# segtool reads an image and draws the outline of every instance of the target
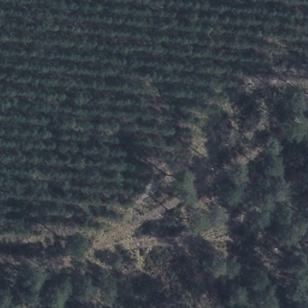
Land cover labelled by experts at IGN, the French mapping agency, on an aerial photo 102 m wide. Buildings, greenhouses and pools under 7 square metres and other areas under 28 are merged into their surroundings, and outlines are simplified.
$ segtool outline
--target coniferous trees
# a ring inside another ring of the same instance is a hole
[[[77,114],[119,118],[171,120],[171,115],[146,113],[76,109]]]
[[[184,149],[180,143],[159,142],[156,158],[165,162],[176,159],[179,150]]]
[[[231,159],[253,150],[243,150],[239,146],[236,141],[238,126],[232,126],[227,138],[230,143],[235,143],[235,146],[226,147],[229,155],[223,159],[224,165],[230,164]]]
[[[304,207],[298,212],[297,209],[288,206],[283,209],[283,215],[278,219],[278,224],[286,225],[291,230],[280,241],[283,247],[290,247],[300,241],[308,229],[308,208]]]
[[[202,208],[194,207],[197,202],[195,178],[189,170],[184,171],[184,182],[178,182],[173,178],[172,182],[168,183],[174,190],[173,197],[179,200],[178,205],[167,209],[160,219],[164,227],[183,225],[180,208],[185,208],[186,212],[190,212],[191,208],[195,214],[195,226],[186,232],[191,236],[201,235],[213,226],[226,224],[229,215],[224,207],[220,207],[217,208],[218,217],[212,220],[202,214]]]
[[[124,84],[117,85],[118,91],[138,94],[156,94],[158,89],[152,85],[138,87]]]
[[[58,31],[59,25],[51,24],[51,20],[60,18],[78,22],[152,28],[154,22],[143,20],[100,17],[94,14],[71,16],[72,10],[101,11],[101,5],[77,2],[65,4],[64,1],[51,0],[0,0],[0,2],[47,6],[46,11],[36,12],[36,18],[40,23],[38,25],[5,22],[6,14],[29,18],[30,12],[0,8],[0,25],[2,28],[38,32]]]
[[[199,123],[199,118],[195,115],[199,111],[209,115],[223,111],[223,108],[219,107],[220,102],[229,97],[224,94],[211,97],[214,105],[180,106],[182,111],[188,113],[188,118],[180,118],[179,125],[183,126],[185,122],[195,125]]]
[[[93,244],[88,243],[88,237],[78,235],[78,248],[65,251],[64,256],[81,260],[87,257],[89,251]]]
[[[52,137],[52,132],[0,129],[0,135],[49,138]]]
[[[126,152],[122,149],[83,149],[84,154],[102,154],[101,160],[90,161],[89,166],[112,170],[112,177],[101,176],[100,173],[47,172],[0,166],[0,199],[70,203],[81,207],[79,212],[66,211],[64,208],[45,208],[45,214],[63,217],[77,215],[87,219],[91,219],[90,206],[100,207],[100,199],[76,199],[71,194],[49,195],[46,183],[18,183],[17,180],[12,180],[16,174],[34,179],[87,179],[87,184],[82,186],[83,192],[123,194],[128,202],[120,203],[123,207],[130,207],[140,195],[132,189],[107,188],[101,185],[101,180],[137,183],[138,178],[122,176],[124,170],[135,171],[136,165],[107,162],[108,155],[125,156]]]
[[[197,37],[158,36],[144,32],[78,26],[72,26],[73,34],[135,37],[140,40],[148,38],[155,41],[154,46],[108,45],[87,40],[70,41],[66,38],[46,37],[42,40],[13,34],[0,35],[0,41],[107,49],[122,53],[162,53],[182,57],[271,65],[279,54],[284,53],[284,46],[267,42],[269,36],[276,35],[279,40],[308,42],[308,13],[267,10],[263,7],[219,6],[209,2],[182,0],[137,0],[138,4],[195,8],[194,12],[186,14],[185,18],[189,19],[188,25],[170,22],[161,24],[161,29],[249,35],[256,37],[255,42],[209,41]],[[282,16],[286,20],[285,28],[289,28],[289,34],[272,34],[268,31],[269,26],[279,25],[278,20],[197,16],[200,10]],[[207,46],[207,49],[197,52],[165,49],[161,47],[161,42],[177,42],[184,45],[196,43]],[[263,57],[214,53],[213,47],[221,46],[259,49],[263,52]]]
[[[17,114],[0,115],[0,122],[48,124],[48,118],[24,117]]]
[[[0,73],[0,79],[59,87],[73,87],[75,81]]]
[[[102,141],[118,143],[118,137],[106,135],[105,131],[106,126],[109,126],[112,132],[118,131],[117,123],[97,125],[99,140],[101,138]]]
[[[4,95],[7,96],[66,99],[65,94],[8,88],[4,90]]]
[[[91,124],[77,122],[76,119],[54,118],[55,126],[60,129],[76,128],[78,123],[84,129],[91,129]]]
[[[300,142],[308,134],[308,120],[300,126],[297,126],[296,122],[292,124],[294,130],[289,136],[291,141]]]
[[[35,308],[40,303],[40,290],[47,278],[46,272],[42,266],[34,262],[30,262],[29,265],[28,276],[22,277],[24,285],[31,289],[31,302],[29,307],[17,303],[14,308]]]
[[[100,99],[78,95],[75,102],[143,107],[168,108],[168,103],[140,100],[109,97]]]
[[[239,263],[236,257],[232,257],[230,263],[203,263],[200,269],[202,276],[208,277],[213,274],[218,278],[212,289],[215,302],[221,308],[230,308],[239,304],[243,306],[248,301],[245,288],[250,285],[254,285],[257,291],[256,300],[266,300],[265,308],[279,308],[276,289],[266,276],[266,269],[257,276],[239,272]]]
[[[95,286],[91,284],[91,280],[79,280],[72,284],[65,280],[61,284],[52,295],[52,308],[100,308],[91,302],[91,296],[96,289],[99,290],[101,296],[106,298],[107,306],[111,306],[118,292],[114,278],[99,267],[99,283]]]
[[[229,197],[233,205],[242,203],[247,208],[250,227],[257,229],[269,224],[273,203],[283,201],[289,194],[288,182],[296,172],[300,186],[308,182],[308,156],[301,159],[292,152],[291,142],[280,149],[277,138],[268,137],[267,148],[271,150],[271,154],[262,152],[250,160],[247,166],[238,164],[236,173],[230,177],[221,179],[226,185],[221,191]]]
[[[304,107],[308,107],[308,96],[306,97],[306,89],[296,87],[294,96],[291,97],[292,112],[294,118],[297,118],[303,114]]]
[[[150,78],[150,81],[156,82],[186,82],[213,88],[235,88],[236,83],[230,81],[161,76],[159,73],[153,73],[153,67],[162,67],[165,70],[227,72],[239,77],[243,71],[230,66],[192,66],[190,63],[183,63],[125,60],[105,55],[25,52],[23,49],[19,51],[19,57],[101,61],[109,64],[108,70],[0,61],[0,67],[88,76],[126,77],[136,78],[137,73],[144,73],[144,81]]]
[[[202,91],[180,89],[166,90],[167,96],[207,99],[207,94]]]
[[[302,261],[297,256],[288,268],[289,273],[298,274],[300,284],[297,288],[294,284],[285,286],[286,298],[300,303],[303,308],[308,308],[308,255],[303,257]]]
[[[51,156],[47,162],[49,165],[84,167],[82,159],[58,159]]]

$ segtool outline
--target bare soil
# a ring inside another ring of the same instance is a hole
[[[115,245],[123,245],[126,250],[140,247],[150,250],[155,245],[166,247],[166,242],[159,241],[156,237],[132,237],[143,221],[160,219],[167,209],[178,205],[179,200],[173,197],[165,205],[150,211],[147,217],[146,214],[141,215],[134,211],[134,224],[119,226],[115,231],[100,230],[93,244],[89,251],[113,251]]]
[[[250,160],[262,152],[260,147],[253,150],[231,159],[230,164],[224,165],[230,177],[236,173],[238,164],[247,166]]]

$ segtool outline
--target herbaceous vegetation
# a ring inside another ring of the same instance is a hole
[[[308,0],[182,0],[209,2],[219,6],[263,7],[267,10],[308,13]]]
[[[64,268],[69,274],[72,268],[76,271],[79,269],[82,273],[79,280],[91,280],[91,284],[95,286],[99,283],[99,267],[114,278],[118,292],[111,306],[107,306],[106,298],[101,296],[99,290],[96,289],[91,296],[91,302],[100,308],[147,308],[149,304],[165,298],[165,290],[161,291],[164,284],[159,277],[162,269],[152,267],[148,271],[143,268],[143,261],[150,250],[140,247],[126,250],[123,245],[115,245],[113,251],[89,251],[87,257],[81,260],[64,256],[43,260],[40,257],[29,259],[24,255],[0,255],[0,263],[29,265],[30,262],[34,262],[42,266],[46,272],[48,269],[54,269],[59,273],[60,269]]]
[[[166,247],[170,248],[177,244],[183,248],[186,256],[194,255],[199,249],[205,251],[213,260],[214,250],[227,254],[226,241],[230,241],[231,237],[226,224],[213,226],[201,235],[191,236],[186,232],[195,226],[195,214],[191,208],[190,212],[186,212],[185,208],[180,208],[183,225],[164,227],[160,219],[143,221],[132,237],[156,237],[159,241],[166,242]]]
[[[118,131],[112,132],[109,126],[106,126],[105,131],[106,135],[118,137],[118,143],[102,141],[101,138],[99,140],[97,125],[91,124],[91,129],[84,129],[78,123],[76,128],[60,129],[55,126],[48,124],[0,122],[0,129],[52,132],[52,137],[49,138],[0,135],[0,166],[47,172],[100,173],[101,176],[112,177],[112,170],[89,166],[90,161],[101,160],[102,154],[84,154],[83,149],[122,149],[126,152],[125,156],[108,155],[107,162],[136,165],[135,171],[124,170],[122,176],[138,178],[137,183],[101,180],[101,185],[107,188],[132,189],[140,195],[130,207],[123,207],[120,203],[128,202],[123,194],[83,192],[82,186],[87,184],[87,179],[34,179],[16,174],[12,180],[17,180],[18,183],[46,183],[49,195],[71,194],[76,199],[100,199],[100,207],[90,206],[91,219],[87,219],[77,215],[63,217],[45,214],[45,208],[64,208],[66,211],[79,212],[81,207],[70,203],[0,199],[0,241],[5,239],[7,242],[41,242],[42,247],[48,247],[54,243],[54,236],[59,235],[61,247],[65,251],[78,248],[78,235],[88,237],[88,243],[93,244],[100,230],[115,231],[119,226],[134,224],[134,211],[141,215],[146,214],[147,217],[150,211],[165,205],[173,197],[174,190],[168,183],[172,182],[173,178],[178,182],[184,182],[184,171],[189,170],[195,178],[197,202],[194,207],[202,208],[202,214],[212,220],[218,217],[217,208],[220,207],[220,203],[229,197],[221,191],[226,185],[221,179],[230,177],[224,165],[223,159],[229,155],[226,147],[235,146],[235,143],[230,143],[227,138],[232,126],[238,126],[236,141],[239,146],[243,150],[253,150],[260,147],[262,152],[271,154],[271,150],[267,148],[268,137],[277,138],[280,149],[291,142],[291,141],[289,136],[294,130],[292,124],[296,122],[297,126],[300,126],[308,120],[308,107],[304,107],[303,114],[297,118],[294,118],[292,112],[280,101],[263,101],[255,88],[261,89],[273,84],[285,93],[289,84],[296,87],[306,89],[306,97],[308,96],[308,64],[302,64],[300,69],[290,69],[286,66],[288,55],[285,53],[297,52],[308,55],[308,42],[279,40],[276,35],[269,36],[267,42],[284,46],[284,53],[279,54],[271,65],[182,57],[183,63],[190,63],[192,66],[230,66],[243,71],[239,77],[227,72],[165,70],[162,67],[153,67],[153,73],[159,73],[161,76],[230,81],[236,83],[235,88],[213,88],[186,82],[156,82],[150,81],[150,78],[144,81],[144,73],[137,73],[136,78],[126,77],[124,84],[138,87],[152,85],[158,89],[156,94],[138,94],[140,100],[168,103],[168,108],[143,107],[146,113],[171,115],[171,120],[119,118],[117,123]],[[207,99],[167,96],[166,90],[180,89],[202,91],[207,94]],[[185,122],[183,126],[179,125],[180,118],[188,118],[188,113],[182,111],[180,106],[214,105],[211,97],[224,94],[229,97],[220,102],[219,107],[223,108],[223,111],[209,115],[199,111],[195,115],[199,118],[199,123],[195,125]],[[176,159],[165,162],[156,158],[159,142],[180,143],[184,149],[179,150]],[[49,165],[47,162],[51,156],[58,159],[82,159],[84,167]]]
[[[263,57],[263,52],[259,49],[221,46],[213,47],[214,53]]]

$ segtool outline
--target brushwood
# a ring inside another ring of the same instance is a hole
[[[269,26],[268,31],[272,34],[289,34],[289,28],[285,28],[286,20],[282,16],[200,10],[197,16],[278,20],[279,25]]]
[[[23,49],[25,52],[105,55],[125,60],[183,63],[182,57],[162,53],[122,53],[107,49],[0,41],[0,61],[108,70],[109,64],[101,61],[19,57],[19,51]]]
[[[54,243],[48,247],[42,247],[41,242],[7,242],[5,239],[0,241],[0,255],[24,255],[29,259],[40,257],[43,260],[64,256],[65,251],[61,247],[59,235],[54,236]]]
[[[28,276],[29,265],[0,263],[0,308],[14,308],[17,303],[29,307],[31,302],[31,289],[24,285],[22,277]]]
[[[47,278],[40,290],[40,303],[35,308],[52,308],[52,295],[61,284],[65,280],[72,284],[79,280],[82,273],[79,269],[76,271],[72,268],[69,274],[64,268],[60,269],[59,273],[54,269],[48,269],[46,272]]]
[[[265,308],[266,300],[256,300],[257,291],[254,285],[250,285],[245,288],[248,301],[243,306],[239,304],[230,308]]]
[[[0,2],[0,8],[30,12],[29,18],[6,14],[5,22],[38,25],[40,23],[36,18],[36,12],[46,11],[47,6]]]
[[[292,152],[301,159],[308,156],[308,134],[300,142],[291,141],[291,142]]]
[[[291,97],[294,96],[296,87],[289,84],[285,93],[273,84],[261,89],[255,88],[263,101],[280,101],[292,112]]]
[[[207,49],[207,46],[196,43],[184,45],[177,42],[161,42],[161,47],[165,49],[197,52]]]
[[[203,263],[230,263],[232,257],[236,257],[239,263],[239,272],[257,276],[266,269],[266,276],[276,289],[279,308],[303,308],[300,303],[286,298],[285,286],[294,284],[297,288],[300,284],[298,274],[289,273],[288,268],[297,256],[302,261],[303,257],[308,255],[308,229],[300,241],[290,247],[283,247],[280,241],[291,230],[286,225],[278,224],[278,219],[283,215],[283,209],[288,206],[297,209],[298,212],[304,207],[308,208],[308,182],[300,186],[296,172],[288,182],[289,194],[283,201],[273,203],[269,224],[257,229],[250,227],[247,208],[242,203],[233,205],[229,197],[220,203],[220,207],[224,207],[229,215],[226,224],[231,237],[230,241],[226,241],[227,254],[214,250],[213,260],[205,251],[199,249],[194,255],[186,256],[183,248],[177,244],[170,248],[166,247],[155,245],[150,250],[143,261],[143,268],[148,271],[152,267],[162,269],[159,277],[164,284],[161,291],[165,290],[165,298],[149,304],[147,308],[221,308],[215,302],[212,289],[218,278],[213,274],[208,277],[202,276],[200,269]]]
[[[308,64],[308,55],[297,52],[285,53],[288,55],[286,66],[290,69],[300,69],[302,64]]]
[[[138,94],[118,91],[117,85],[124,84],[126,77],[88,76],[0,67],[0,73],[75,81],[73,87],[59,87],[0,79],[0,115],[17,114],[24,117],[48,118],[48,124],[55,126],[54,118],[76,119],[77,122],[91,124],[97,125],[117,123],[119,118],[77,114],[76,109],[146,113],[143,107],[75,102],[78,95],[100,99],[109,97],[140,100]],[[7,96],[4,95],[4,90],[8,88],[65,94],[66,99]]]
[[[101,5],[101,11],[72,10],[71,16],[94,14],[100,17],[143,20],[154,22],[152,28],[78,22],[60,18],[51,20],[51,24],[59,25],[58,31],[38,32],[2,28],[0,25],[0,35],[13,34],[42,40],[46,37],[66,38],[70,41],[87,40],[108,45],[154,46],[155,41],[148,38],[140,40],[135,37],[73,34],[72,26],[78,26],[144,32],[158,36],[197,37],[209,41],[255,42],[256,37],[249,35],[161,29],[161,24],[170,22],[188,25],[189,19],[185,18],[186,14],[194,12],[195,8],[138,4],[137,0],[51,0],[64,1],[65,4],[77,2]]]

